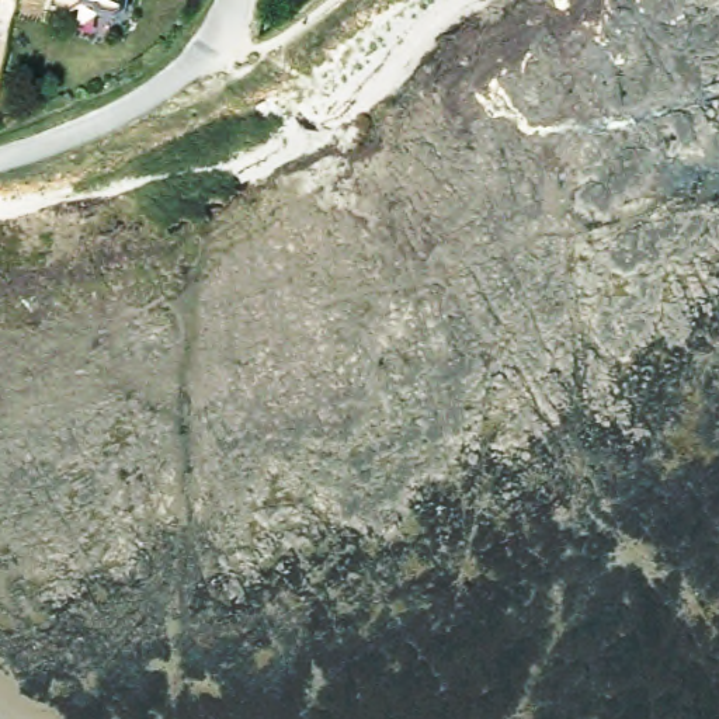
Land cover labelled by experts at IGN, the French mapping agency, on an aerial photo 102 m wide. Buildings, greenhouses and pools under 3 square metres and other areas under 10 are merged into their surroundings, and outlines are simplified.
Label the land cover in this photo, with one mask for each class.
<instances>
[{"label":"bare soil","instance_id":"1","mask_svg":"<svg viewBox=\"0 0 719 719\"><path fill-rule=\"evenodd\" d=\"M303 87V101H295V93L275 90H270L258 107V112L278 115L284 124L267 143L250 152H239L233 160L225 163L194 166V174L230 171L233 177H239V183L233 185L236 197L227 211L185 222L177 233H166L157 222H152L143 213L132 191L107 199L56 202L34 213L0 222V719H62L56 708L62 705V699L76 702L79 708L90 705L95 697L93 688L101 677L118 680L124 688H129L135 702L146 699L149 682L157 671H163L169 680V697H180L183 691L216 697L225 685L242 682L250 691L267 688L272 697H281L286 680L295 674V654L306 640V621L312 615L315 601H334L329 618H337L340 612L348 615L357 609H368V618L360 624V638H371L379 615H393L396 626H402V612L430 609V598L404 595L402 601H390L388 590L402 587L404 581L433 567H447L449 573H455V584H466L469 579H475L477 559L472 556V548L477 531L489 522H494V528L506 525V520L514 514L511 497L525 494L528 489L542 494L556 508L553 520L559 522V528H570L579 536H587V528L595 525L601 534L612 536L618 548L607 559L609 567L635 565L643 570L646 579H666L668 567H660L654 562V548L643 545L640 539H632L621 528V511L615 506L632 503V497L643 486L657 483L660 477L668 480L674 469H680L688 461L711 463L713 458H719V0H402L393 3L388 11L374 14L365 31L329 48L326 62L317 65L309 76H303L298 79ZM680 618H719V598L697 595L691 581L680 584Z\"/></svg>","mask_w":719,"mask_h":719},{"label":"herbaceous vegetation","instance_id":"2","mask_svg":"<svg viewBox=\"0 0 719 719\"><path fill-rule=\"evenodd\" d=\"M213 0H132L138 31H129L118 22L101 39L98 34L79 28V34L67 42L48 45L42 28L48 25V14H11L6 59L14 62L20 56L39 53L45 56V62L62 65L67 73L65 81L73 87V95L56 98L42 110L31 112L28 118H11L0 126V146L73 121L104 104H112L135 87H140L143 81H149L152 76H157L169 62H174L183 53L185 42L202 25ZM393 3L402 0H345L312 31L301 34L295 42L286 45L289 65L298 67L303 76H309L317 65L326 62L329 48L365 31L374 14L388 11ZM281 84V70L264 59L250 76L225 84L219 93L199 104H188L174 115H154L152 110L87 143L0 171V185H28L31 180H48L65 183L73 191H90L124 177L163 171V183H149L132 191L143 213L152 222H157L166 233H177L185 222L227 211L236 197L233 185L239 183V177H233L230 171L194 174V166L225 163L233 160L239 152H250L267 143L284 124L278 115L258 112V107L270 90H275ZM514 514L506 520V525L494 528V522H489L477 531L472 548V556L477 559L475 579H469L466 584H455V573H449L447 567H433L404 581L402 587L388 590L390 601H402L404 595L430 598V609L402 612V626H396L393 615H379L371 638H360V624L368 618V609H357L348 615L340 612L337 618H329L334 601H315L312 615L306 621V640L295 654V674L286 680L281 697H272L267 688L250 691L242 682L225 685L216 697L183 691L180 697H169V680L163 671H157L149 682L146 699L135 702L129 688H124L118 680L101 677L93 688L95 697L90 705L79 708L76 702L62 699V705L56 708L62 719H719V618H680V584L691 581L697 595L719 598V458H713L711 463L688 461L680 469H674L668 480L660 477L657 483L643 486L632 497V503L615 506L621 511V528L632 539H640L643 545L654 548V562L660 567H668L666 579H646L643 570L635 565L609 567L607 559L618 548L612 536L601 534L595 525L587 528V536H579L570 528H559V522L553 520L556 508L542 494L528 489L525 494L511 497Z\"/></svg>","mask_w":719,"mask_h":719},{"label":"impervious surface","instance_id":"3","mask_svg":"<svg viewBox=\"0 0 719 719\"><path fill-rule=\"evenodd\" d=\"M56 8H70L79 17V28L98 34L101 39L118 22L129 31H138L132 0H0V70L6 59L11 14H48ZM258 0H213L202 25L185 42L183 53L174 62H169L157 76H152L149 81H143L140 87H135L112 104H104L73 121L0 146V171L87 143L152 110L171 93H177L185 81L199 79L205 73L227 70L236 59H247L250 42L256 39L253 31L258 25Z\"/></svg>","mask_w":719,"mask_h":719},{"label":"pervious surface","instance_id":"4","mask_svg":"<svg viewBox=\"0 0 719 719\"><path fill-rule=\"evenodd\" d=\"M345 0H309V6H303L298 17L281 31H275L270 22L258 17V25L253 31L256 39L250 42L247 59H236L227 70L205 73L199 79L185 81L177 93H171L152 110L154 115H174L188 104H199L219 93L225 84L250 76L264 59L281 70V84L275 90L295 93V101H303V87L298 79L303 76L298 67L289 65L286 45L295 42L301 34L312 31ZM163 171L124 177L90 191H73L65 183L48 180H31L28 185H0V222L34 213L56 202L107 199L132 191L149 183H163Z\"/></svg>","mask_w":719,"mask_h":719},{"label":"brushwood","instance_id":"5","mask_svg":"<svg viewBox=\"0 0 719 719\"><path fill-rule=\"evenodd\" d=\"M48 25L42 28L48 45L67 42L79 34V17L70 8H56L48 14ZM67 73L62 65L45 62V56L39 53L20 56L14 62L6 59L0 70V126L11 118H28L31 112L42 110L56 98L73 95V87L65 81Z\"/></svg>","mask_w":719,"mask_h":719},{"label":"deciduous trees","instance_id":"6","mask_svg":"<svg viewBox=\"0 0 719 719\"><path fill-rule=\"evenodd\" d=\"M303 6H309V0H258V17L270 22L275 31H281L298 17Z\"/></svg>","mask_w":719,"mask_h":719}]
</instances>
